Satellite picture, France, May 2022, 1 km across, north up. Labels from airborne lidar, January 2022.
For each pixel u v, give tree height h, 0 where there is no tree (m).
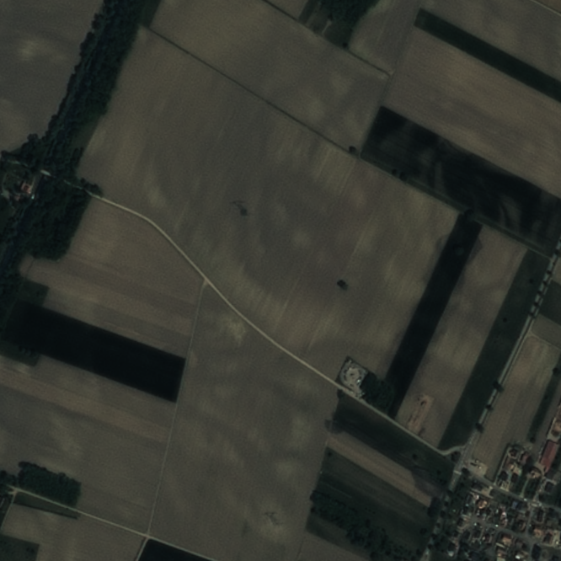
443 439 0
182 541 0
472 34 0
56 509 0
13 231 12
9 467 0
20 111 0
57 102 0
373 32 0
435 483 0
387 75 0
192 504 0
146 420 0
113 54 20
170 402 0
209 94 0
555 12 0
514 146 0
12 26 0
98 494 0
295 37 0
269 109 0
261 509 0
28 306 0
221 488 0
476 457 0
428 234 0
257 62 0
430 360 0
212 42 0
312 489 0
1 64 0
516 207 0
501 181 0
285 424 0
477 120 0
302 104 0
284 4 0
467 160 0
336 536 0
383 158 0
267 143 0
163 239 0
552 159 0
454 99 0
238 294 0
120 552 0
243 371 0
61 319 0
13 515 0
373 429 0
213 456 0
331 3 21
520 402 0
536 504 0
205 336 0
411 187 0
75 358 0
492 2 0
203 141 0
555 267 0
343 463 0
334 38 0
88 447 0
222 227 0
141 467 0
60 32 0
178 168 0
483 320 0
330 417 0
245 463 0
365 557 0
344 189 0
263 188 0
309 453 0
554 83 0
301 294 0
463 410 0
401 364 0
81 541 0
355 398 0
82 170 0
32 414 0
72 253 0
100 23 12
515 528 9
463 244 0
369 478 0
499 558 0
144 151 0
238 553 0
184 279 0
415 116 0
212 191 0
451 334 0
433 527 0
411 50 0
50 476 17
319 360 0
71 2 0
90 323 0
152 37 0
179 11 0
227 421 0
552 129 0
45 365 0
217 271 0
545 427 0
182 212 0
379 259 0
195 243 0
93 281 0
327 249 0
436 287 0
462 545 12
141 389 0
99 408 0
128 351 0
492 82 0
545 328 0
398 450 0
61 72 0
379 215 0
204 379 0
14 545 0
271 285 0
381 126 0
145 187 0
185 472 0
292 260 0
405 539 0
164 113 0
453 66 0
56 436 0
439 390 0
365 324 0
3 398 0
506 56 0
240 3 0
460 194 0
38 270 0
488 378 0
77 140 0
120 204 0
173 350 0
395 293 0
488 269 0
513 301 0
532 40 0
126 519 0
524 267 0
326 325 0
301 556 0
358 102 0
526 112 0
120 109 0
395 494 0
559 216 0
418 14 0
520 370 0
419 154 0
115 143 0
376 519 0
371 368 0
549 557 0
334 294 0
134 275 0
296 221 0
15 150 0
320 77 0
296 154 0
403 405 0
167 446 0
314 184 0
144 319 0
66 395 0
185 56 0
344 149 0
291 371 0
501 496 0
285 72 0
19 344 0
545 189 0
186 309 0
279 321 0
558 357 0
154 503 0
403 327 0
